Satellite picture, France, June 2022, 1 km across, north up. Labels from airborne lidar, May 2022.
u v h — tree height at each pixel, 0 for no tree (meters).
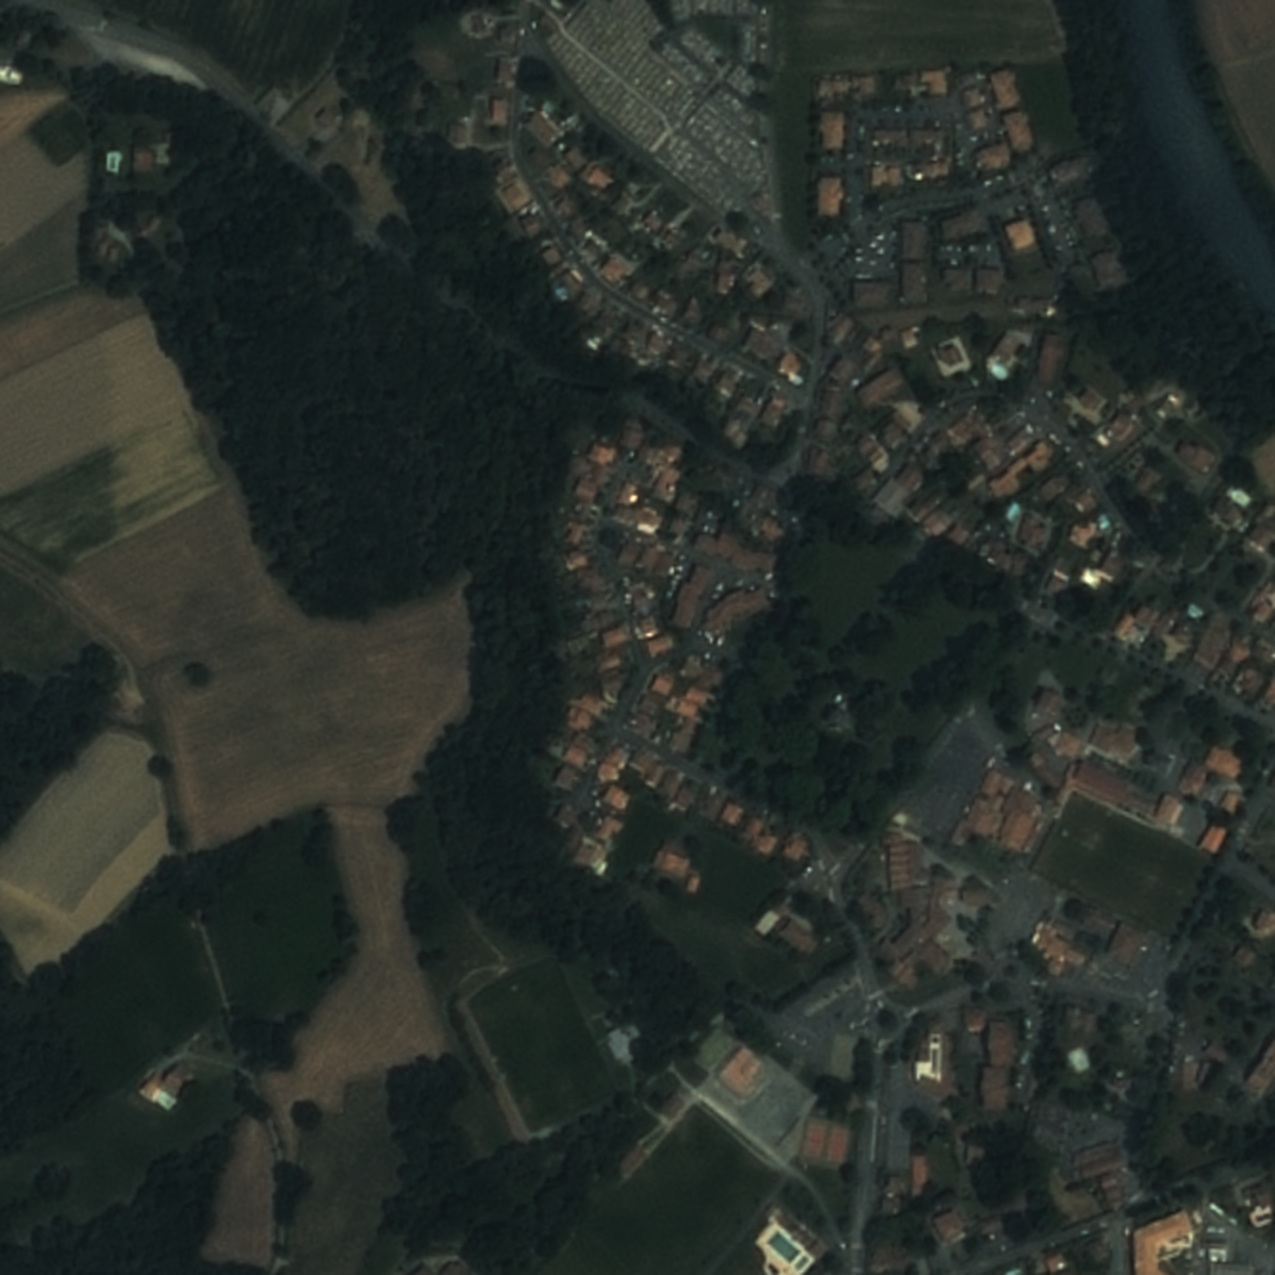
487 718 17
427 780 12
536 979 0
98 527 0
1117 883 0
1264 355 23
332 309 26
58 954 0
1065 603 19
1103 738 0
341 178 16
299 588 15
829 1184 0
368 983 0
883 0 0
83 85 14
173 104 18
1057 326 6
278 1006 0
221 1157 17
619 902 19
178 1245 26
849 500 14
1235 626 15
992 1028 0
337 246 28
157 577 0
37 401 0
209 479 0
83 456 0
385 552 24
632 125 0
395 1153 0
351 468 22
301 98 0
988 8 0
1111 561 0
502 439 31
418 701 0
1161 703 13
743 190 0
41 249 0
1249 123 0
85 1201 0
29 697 31
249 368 23
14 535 0
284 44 0
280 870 0
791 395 0
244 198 12
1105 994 0
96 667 21
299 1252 0
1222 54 0
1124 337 18
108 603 0
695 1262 0
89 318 0
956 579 15
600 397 23
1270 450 0
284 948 0
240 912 0
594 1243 0
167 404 0
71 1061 10
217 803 0
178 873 15
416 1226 16
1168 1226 0
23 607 0
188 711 0
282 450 24
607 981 17
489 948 0
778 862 6
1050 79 0
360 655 0
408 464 19
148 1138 0
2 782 19
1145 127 6
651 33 0
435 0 23
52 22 10
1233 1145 12
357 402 20
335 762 0
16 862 0
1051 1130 0
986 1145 19
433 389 20
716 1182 0
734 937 0
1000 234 8
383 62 18
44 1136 7
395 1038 0
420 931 13
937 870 11
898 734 0
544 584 14
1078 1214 0
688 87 0
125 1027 0
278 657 0
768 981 0
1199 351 15
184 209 16
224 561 0
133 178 13
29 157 0
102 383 0
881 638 18
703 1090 0
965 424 0
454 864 8
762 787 15
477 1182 20
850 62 0
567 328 15
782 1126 0
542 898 19
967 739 0
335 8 0
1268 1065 0
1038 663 0
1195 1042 0
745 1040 21
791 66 0
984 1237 7
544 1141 9
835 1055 0
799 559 28
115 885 0
